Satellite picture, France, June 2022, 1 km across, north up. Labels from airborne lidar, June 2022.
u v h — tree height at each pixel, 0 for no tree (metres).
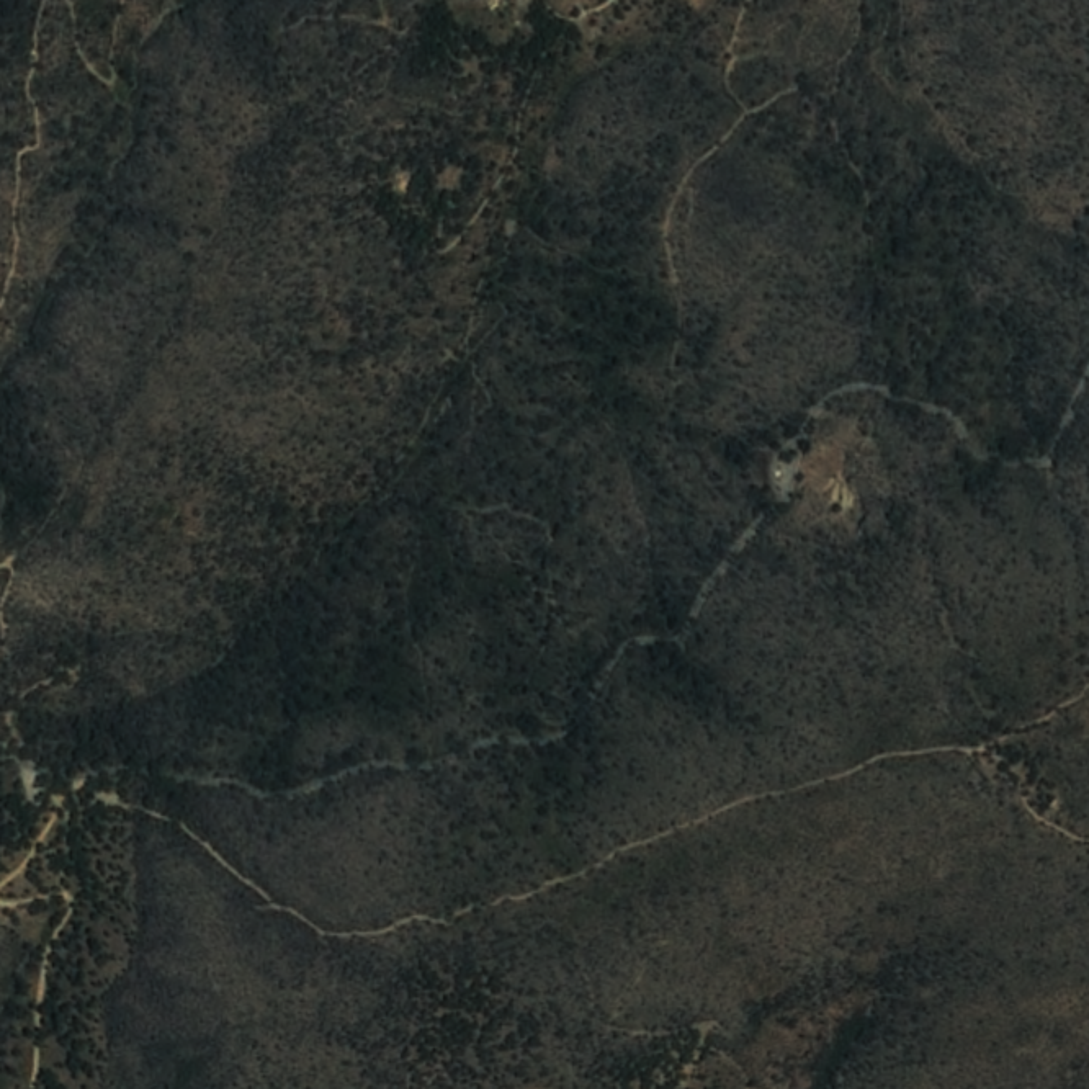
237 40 7
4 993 0
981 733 8
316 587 11
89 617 10
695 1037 7
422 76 8
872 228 15
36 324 7
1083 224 11
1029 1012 0
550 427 13
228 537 9
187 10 13
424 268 9
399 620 9
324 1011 6
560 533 12
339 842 0
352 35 11
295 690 14
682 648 15
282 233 9
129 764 12
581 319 15
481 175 9
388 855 7
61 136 10
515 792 10
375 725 0
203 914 0
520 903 0
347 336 0
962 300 14
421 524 12
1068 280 7
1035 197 0
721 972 0
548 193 9
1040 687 0
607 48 12
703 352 12
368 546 15
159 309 7
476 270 0
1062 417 9
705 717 9
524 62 8
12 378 10
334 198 9
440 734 0
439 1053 8
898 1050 11
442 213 8
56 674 11
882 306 13
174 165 0
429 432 9
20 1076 8
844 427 0
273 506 11
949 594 8
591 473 13
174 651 9
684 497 10
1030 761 6
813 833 0
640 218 11
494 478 8
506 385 0
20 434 10
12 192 0
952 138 0
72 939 7
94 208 14
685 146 0
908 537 6
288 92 6
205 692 11
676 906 14
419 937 8
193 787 9
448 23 11
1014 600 6
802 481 6
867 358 11
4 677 14
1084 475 0
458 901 9
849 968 11
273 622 14
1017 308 8
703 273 0
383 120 14
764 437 11
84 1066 10
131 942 10
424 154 10
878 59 0
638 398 11
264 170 7
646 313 12
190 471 13
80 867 13
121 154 0
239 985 0
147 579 9
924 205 11
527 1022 12
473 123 12
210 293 0
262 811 11
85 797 9
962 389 8
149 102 10
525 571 12
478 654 9
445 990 13
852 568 9
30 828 9
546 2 7
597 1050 6
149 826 8
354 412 9
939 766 7
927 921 10
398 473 11
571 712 6
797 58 0
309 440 7
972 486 12
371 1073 11
